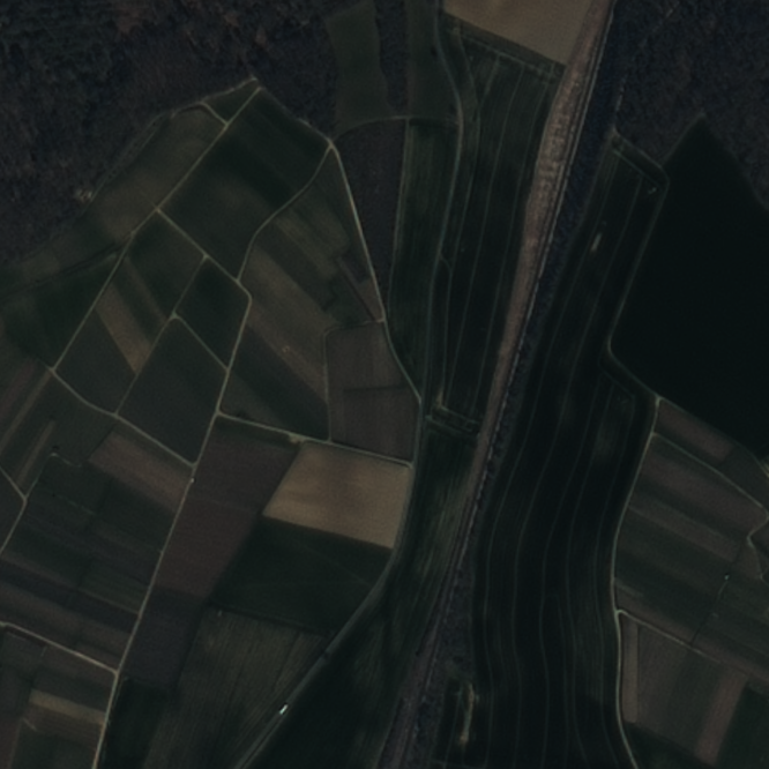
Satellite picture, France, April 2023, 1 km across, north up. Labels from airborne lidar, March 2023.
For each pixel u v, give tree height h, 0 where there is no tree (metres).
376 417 0
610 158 0
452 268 0
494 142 0
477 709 0
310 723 0
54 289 0
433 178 0
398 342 0
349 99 0
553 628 0
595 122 7
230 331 0
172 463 0
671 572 0
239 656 0
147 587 0
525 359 8
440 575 0
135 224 0
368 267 0
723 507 0
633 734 0
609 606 0
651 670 0
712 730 0
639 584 0
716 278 0
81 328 0
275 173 0
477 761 0
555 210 0
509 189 0
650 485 0
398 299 0
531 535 0
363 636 0
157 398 0
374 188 0
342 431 0
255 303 0
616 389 0
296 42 29
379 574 0
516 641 0
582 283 0
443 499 0
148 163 0
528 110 0
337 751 0
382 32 19
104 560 0
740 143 16
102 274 0
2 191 22
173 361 0
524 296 0
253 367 0
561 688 0
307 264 0
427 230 0
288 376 0
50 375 0
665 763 0
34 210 22
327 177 0
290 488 0
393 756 0
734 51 19
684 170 0
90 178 20
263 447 0
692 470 0
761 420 0
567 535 0
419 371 0
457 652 8
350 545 0
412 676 0
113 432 0
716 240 0
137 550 0
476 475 0
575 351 0
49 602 0
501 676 0
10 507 0
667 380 0
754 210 0
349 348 0
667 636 0
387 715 0
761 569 0
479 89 0
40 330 0
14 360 0
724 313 0
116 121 23
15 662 0
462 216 0
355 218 0
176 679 0
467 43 0
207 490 0
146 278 0
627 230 0
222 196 0
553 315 0
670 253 0
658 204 0
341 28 0
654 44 16
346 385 0
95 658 0
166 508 0
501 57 0
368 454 0
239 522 0
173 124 0
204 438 0
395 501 0
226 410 0
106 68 24
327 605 0
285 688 0
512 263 0
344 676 0
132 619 0
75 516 0
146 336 0
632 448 0
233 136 0
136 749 0
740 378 0
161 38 26
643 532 0
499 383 0
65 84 20
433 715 7
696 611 0
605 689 0
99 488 0
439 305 0
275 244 0
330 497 0
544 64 0
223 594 0
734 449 0
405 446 0
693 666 0
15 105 19
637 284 0
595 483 0
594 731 0
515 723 0
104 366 0
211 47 27
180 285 0
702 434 0
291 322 0
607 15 0
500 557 0
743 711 0
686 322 0
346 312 0
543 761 0
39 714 0
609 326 0
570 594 0
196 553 0
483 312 0
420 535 0
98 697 0
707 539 0
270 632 0
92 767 0
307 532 0
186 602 0
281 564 0
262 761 0
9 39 9
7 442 0
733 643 0
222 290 0
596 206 0
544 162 0
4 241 21
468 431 0
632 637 0
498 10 0
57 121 19
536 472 0
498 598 0
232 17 0
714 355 0
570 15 0
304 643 0
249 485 0
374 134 0
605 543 0
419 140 0
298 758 0
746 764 0
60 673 0
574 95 0
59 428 0
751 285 0
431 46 0
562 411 0
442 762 0
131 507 0
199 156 0
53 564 0
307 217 0
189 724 0
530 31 0
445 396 0
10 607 0
